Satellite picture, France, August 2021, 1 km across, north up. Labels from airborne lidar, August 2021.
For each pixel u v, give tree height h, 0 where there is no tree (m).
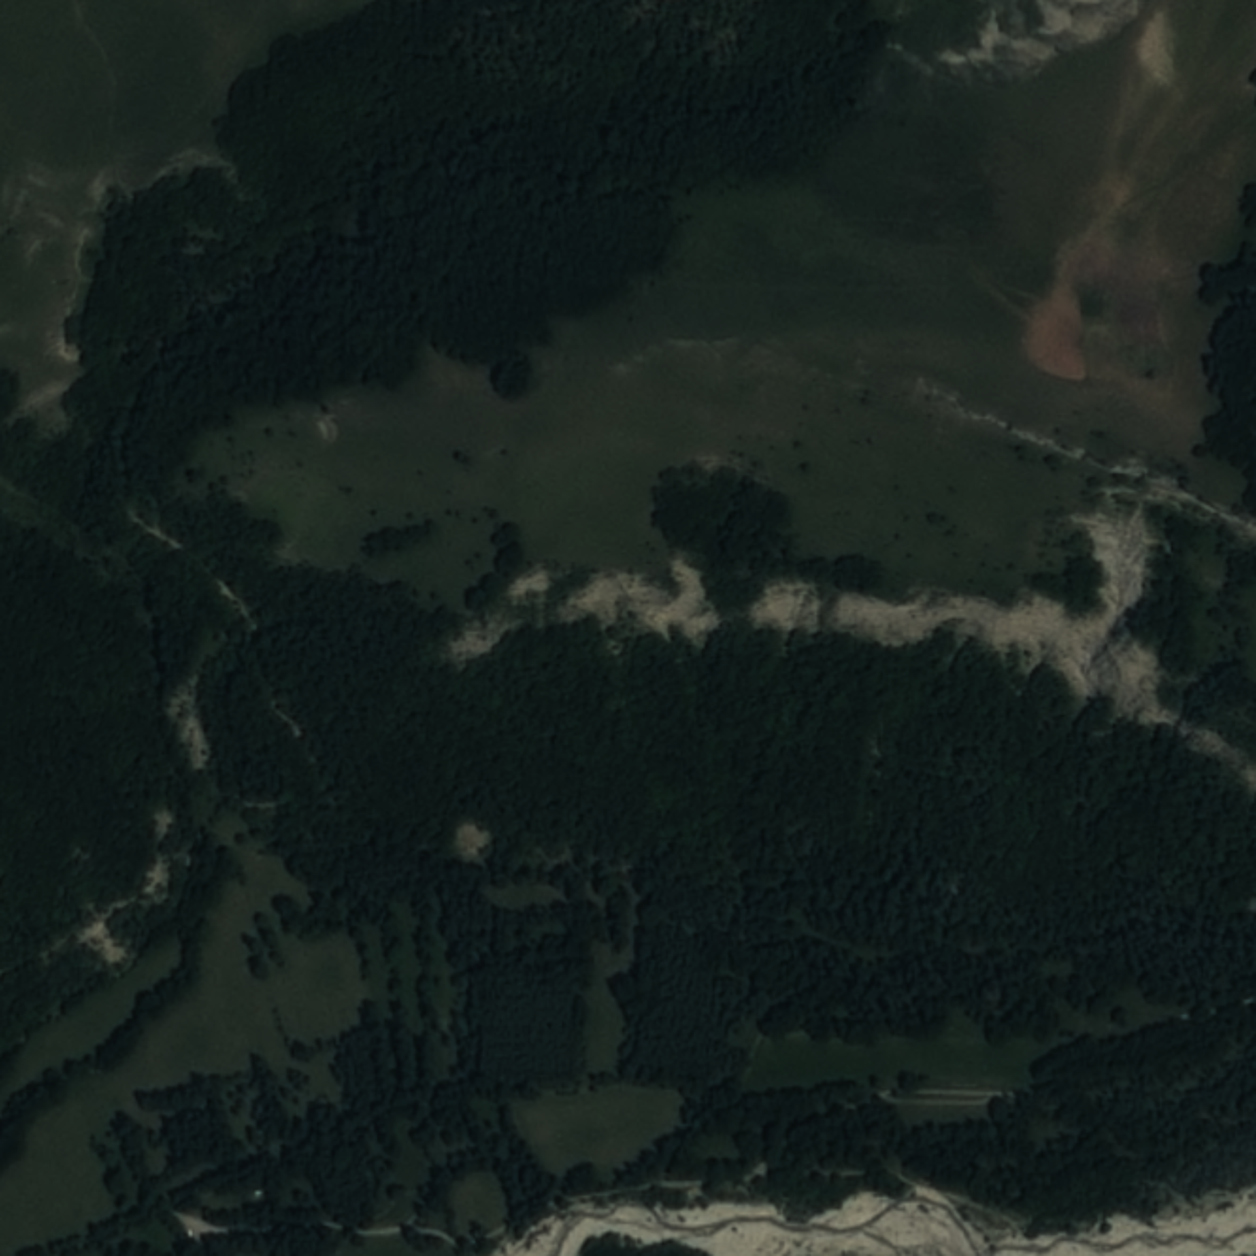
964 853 18
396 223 20
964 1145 18
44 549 17
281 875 0
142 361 23
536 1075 20
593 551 0
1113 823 23
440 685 11
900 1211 0
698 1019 16
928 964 14
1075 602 9
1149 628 15
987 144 0
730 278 0
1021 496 0
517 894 0
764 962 17
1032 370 0
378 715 16
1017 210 0
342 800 17
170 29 0
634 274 8
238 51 0
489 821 12
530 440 0
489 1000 17
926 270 0
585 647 13
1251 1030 13
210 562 14
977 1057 0
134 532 12
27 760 21
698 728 22
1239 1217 0
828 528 0
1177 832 17
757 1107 18
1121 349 0
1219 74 0
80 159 0
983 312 0
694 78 21
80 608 22
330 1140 16
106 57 0
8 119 0
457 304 14
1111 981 17
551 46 17
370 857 21
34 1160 0
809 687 21
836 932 9
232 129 11
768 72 20
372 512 7
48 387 0
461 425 0
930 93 0
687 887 15
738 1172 15
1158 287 0
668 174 14
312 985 0
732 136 21
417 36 21
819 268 0
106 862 13
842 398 0
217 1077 10
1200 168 0
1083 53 0
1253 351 19
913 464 0
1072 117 0
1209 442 7
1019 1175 10
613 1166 0
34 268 0
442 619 13
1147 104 0
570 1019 16
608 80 13
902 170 0
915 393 0
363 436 0
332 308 17
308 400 9
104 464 21
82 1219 0
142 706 26
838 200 0
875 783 13
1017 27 0
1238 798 18
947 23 0
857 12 13
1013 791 15
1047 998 15
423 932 12
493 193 20
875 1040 12
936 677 10
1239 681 12
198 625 19
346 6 0
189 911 14
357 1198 16
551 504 0
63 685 18
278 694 11
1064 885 14
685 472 7
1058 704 18
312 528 0
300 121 16
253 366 19
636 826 17
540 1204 14
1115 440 0
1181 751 11
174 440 17
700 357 0
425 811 17
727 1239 0
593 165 16
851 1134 17
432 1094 13
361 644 9
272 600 15
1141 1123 17
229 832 0
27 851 16
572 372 0
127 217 10
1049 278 0
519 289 16
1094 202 0
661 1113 0
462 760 14
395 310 17
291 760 15
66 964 15
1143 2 0
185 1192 13
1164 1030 16
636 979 20
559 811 17
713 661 11
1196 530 11
